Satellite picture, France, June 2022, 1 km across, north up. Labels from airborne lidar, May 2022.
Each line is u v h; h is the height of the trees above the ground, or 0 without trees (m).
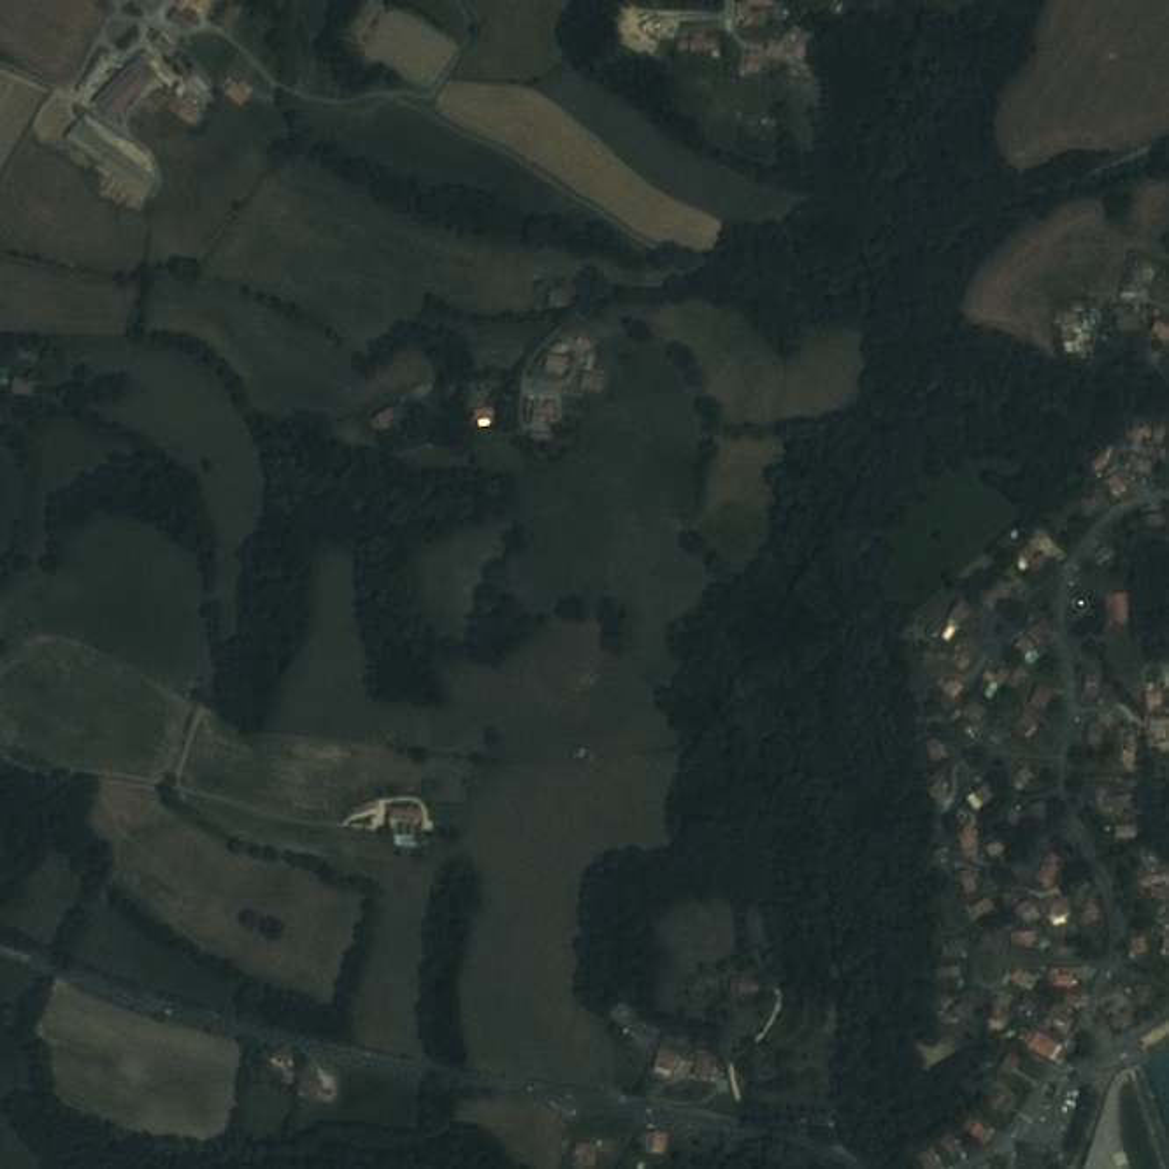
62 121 0
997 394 30
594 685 0
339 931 0
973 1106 11
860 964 24
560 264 0
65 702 0
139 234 0
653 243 0
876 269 21
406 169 0
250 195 0
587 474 0
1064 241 0
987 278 0
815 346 0
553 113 0
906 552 0
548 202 0
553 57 0
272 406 0
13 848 8
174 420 0
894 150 29
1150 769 16
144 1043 0
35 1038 9
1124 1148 0
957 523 0
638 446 0
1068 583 0
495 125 0
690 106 0
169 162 0
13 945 18
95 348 0
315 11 0
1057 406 24
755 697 21
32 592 0
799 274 17
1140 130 0
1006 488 14
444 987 19
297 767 0
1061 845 9
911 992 18
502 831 0
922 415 19
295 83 0
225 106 0
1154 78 0
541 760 0
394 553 25
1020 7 19
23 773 12
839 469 20
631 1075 0
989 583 14
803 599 20
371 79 19
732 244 14
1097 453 13
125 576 0
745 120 0
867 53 27
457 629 0
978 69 13
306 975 0
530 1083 0
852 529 9
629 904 26
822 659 9
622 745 0
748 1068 15
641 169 0
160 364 0
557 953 0
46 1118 26
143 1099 0
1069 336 0
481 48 0
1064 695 0
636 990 11
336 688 0
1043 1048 0
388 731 0
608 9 24
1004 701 7
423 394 0
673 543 0
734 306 16
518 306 0
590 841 0
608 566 0
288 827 0
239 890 0
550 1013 0
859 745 12
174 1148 22
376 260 0
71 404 14
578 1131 0
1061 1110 0
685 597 0
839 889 29
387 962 0
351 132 0
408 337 21
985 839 11
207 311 0
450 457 0
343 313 0
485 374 8
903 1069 13
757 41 0
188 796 0
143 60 0
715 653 12
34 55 0
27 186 0
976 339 20
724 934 0
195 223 0
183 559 0
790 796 19
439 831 6
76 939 15
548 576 0
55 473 0
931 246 20
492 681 0
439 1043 18
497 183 0
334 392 0
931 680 0
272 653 17
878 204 22
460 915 18
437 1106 21
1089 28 0
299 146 21
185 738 0
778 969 10
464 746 0
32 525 0
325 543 20
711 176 0
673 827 10
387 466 14
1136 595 18
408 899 0
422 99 0
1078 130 0
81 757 0
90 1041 0
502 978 0
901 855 17
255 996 20
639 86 30
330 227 0
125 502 16
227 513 0
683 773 11
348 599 0
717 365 0
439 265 0
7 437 8
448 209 25
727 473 0
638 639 0
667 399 0
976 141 13
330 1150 16
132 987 8
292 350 0
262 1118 0
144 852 0
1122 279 0
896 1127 22
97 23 0
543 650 0
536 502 0
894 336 27
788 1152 13
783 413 0
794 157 15
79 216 0
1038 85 0
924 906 12
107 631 0
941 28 20
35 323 0
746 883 21
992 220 22
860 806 11
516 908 0
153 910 0
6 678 0
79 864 17
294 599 17
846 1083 22
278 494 23
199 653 0
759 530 0
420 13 7
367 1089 0
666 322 0
